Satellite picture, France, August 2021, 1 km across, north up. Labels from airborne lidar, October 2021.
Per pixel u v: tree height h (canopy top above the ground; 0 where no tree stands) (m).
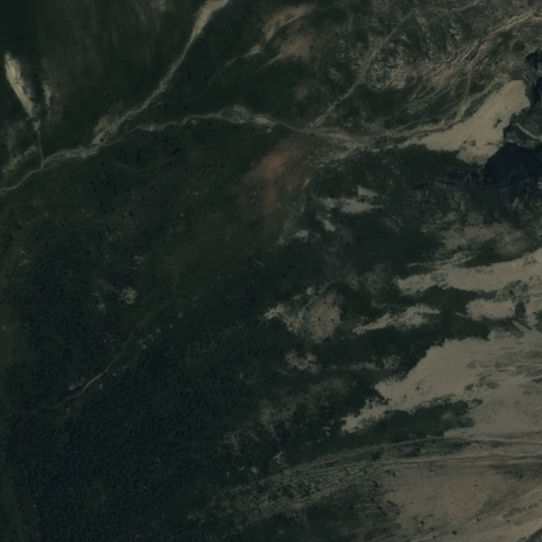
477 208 0
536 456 0
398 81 0
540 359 0
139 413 8
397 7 0
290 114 0
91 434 7
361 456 0
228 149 0
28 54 0
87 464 9
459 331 0
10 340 0
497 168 0
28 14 0
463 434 0
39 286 6
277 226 0
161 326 0
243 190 0
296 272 0
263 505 0
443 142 0
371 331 0
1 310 0
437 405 0
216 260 0
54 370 8
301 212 0
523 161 0
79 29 0
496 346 0
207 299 0
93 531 9
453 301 0
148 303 0
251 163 0
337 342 0
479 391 0
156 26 0
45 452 9
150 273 0
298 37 0
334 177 0
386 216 0
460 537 0
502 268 0
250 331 0
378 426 0
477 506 0
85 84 0
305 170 0
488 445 0
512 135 0
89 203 0
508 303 0
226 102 0
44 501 7
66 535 12
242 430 0
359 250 0
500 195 0
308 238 0
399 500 0
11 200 0
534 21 0
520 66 0
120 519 9
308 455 0
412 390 0
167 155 0
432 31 0
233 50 0
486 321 0
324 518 0
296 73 0
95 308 0
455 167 0
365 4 0
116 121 0
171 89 0
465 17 0
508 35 0
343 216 0
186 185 0
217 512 0
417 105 0
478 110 0
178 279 0
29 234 0
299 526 0
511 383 0
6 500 0
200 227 0
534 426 0
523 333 0
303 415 0
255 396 0
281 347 0
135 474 7
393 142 0
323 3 0
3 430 0
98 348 11
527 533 0
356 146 0
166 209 0
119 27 0
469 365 0
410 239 0
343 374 0
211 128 0
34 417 8
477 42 0
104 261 0
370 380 0
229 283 0
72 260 0
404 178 0
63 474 8
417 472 0
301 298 0
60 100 0
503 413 0
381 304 0
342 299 0
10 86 0
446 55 0
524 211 0
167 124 0
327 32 0
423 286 0
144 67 0
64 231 0
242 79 0
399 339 0
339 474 0
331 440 0
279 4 0
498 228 0
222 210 0
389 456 0
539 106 0
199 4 0
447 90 0
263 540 0
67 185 0
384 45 0
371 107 0
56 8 0
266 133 0
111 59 0
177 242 0
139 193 0
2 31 0
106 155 0
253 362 0
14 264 0
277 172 0
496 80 0
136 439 9
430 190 0
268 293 0
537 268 0
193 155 0
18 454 7
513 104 0
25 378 0
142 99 0
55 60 0
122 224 0
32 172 0
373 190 0
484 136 0
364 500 0
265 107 0
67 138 0
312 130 0
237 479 0
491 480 0
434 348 0
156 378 7
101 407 8
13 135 0
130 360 0
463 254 0
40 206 0
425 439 0
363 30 0
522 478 0
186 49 0
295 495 0
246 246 0
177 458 7
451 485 0
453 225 0
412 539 0
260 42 0
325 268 0
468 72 0
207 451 7
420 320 0
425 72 0
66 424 9
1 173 0
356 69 0
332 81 0
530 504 0
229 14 0
